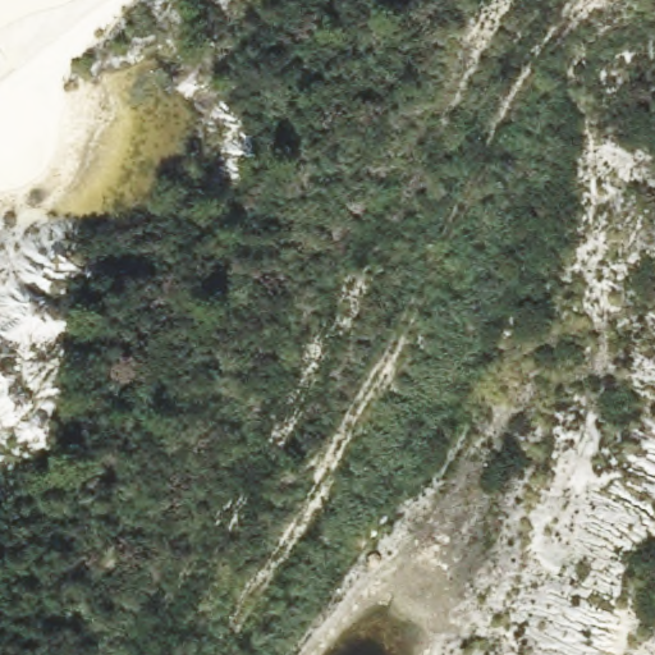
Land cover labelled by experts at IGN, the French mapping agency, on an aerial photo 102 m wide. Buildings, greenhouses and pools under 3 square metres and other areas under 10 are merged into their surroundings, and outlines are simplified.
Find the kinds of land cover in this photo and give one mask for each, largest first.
<instances>
[{"label":"brushwood","instance_id":"1","mask_svg":"<svg viewBox=\"0 0 655 655\"><path fill-rule=\"evenodd\" d=\"M491 0H179L177 10L182 15V33L177 41L179 49L174 59L179 61V74L184 79L207 77L212 90H217L225 97V102L228 110L235 118H241V125L246 130V146L238 156V179L228 177L223 151L217 156L205 154L200 136H189L179 154L161 159L156 179L151 184V223L130 228L128 233H100L95 243L79 251V256L72 264L90 266L92 276H67V294H51L46 302L49 315L54 320H64V333L56 335V340L64 345V361L59 363V376L54 384L56 404L51 412L46 448L36 450L33 458H18V463L13 466V486L18 496H33L38 512L43 514L77 517L79 525L61 527L59 535H51V545L54 553H59L69 565V571L59 573V578L67 586L82 583L87 588V604H77V614L72 617L49 614L43 619V632H74L82 645H97L102 655H302L299 647L304 632L317 624L322 614L330 612V606L340 601L335 588L343 583L345 573L358 563L361 535L368 530H379L384 535H391L394 525L402 519V501L417 499L432 484V478L458 432L473 440L478 430H484L486 422H491V409L473 394V386L484 381L486 366H491L494 361H504L499 348L501 330H512V335L519 340H530L535 335L548 333L555 322L553 297L560 292L565 281L563 269L576 261V248L583 243L578 238V217L583 212V197L588 187L578 179V156H583L586 151L583 133L581 110L568 97V90H583L594 97V110L599 113L596 130L599 136L601 130L614 128L612 143L622 146L624 151H647L652 156L650 171L655 174V20L637 10V15L629 23L617 26V31L601 36L586 18L571 33H555L540 54H532L537 38L563 13V5L573 0H514L509 10L501 15L489 46L478 56V69L468 79L466 90L461 105H455L453 110L409 115L404 128H391L389 115L399 107H412L417 102H438L443 92V82L448 77L445 54L440 51V43H432L425 33H435L438 28L466 31L468 20H476L481 15V8ZM619 51H632L629 77L624 79L617 95H606L604 90L614 87L617 79H599V69H609L612 59ZM525 67H530V79L525 82L519 97L512 102L507 118L496 128H489V118L499 110L501 97L509 92L512 82ZM366 264H379L381 271L361 294V310L351 328H340V322L335 320L340 276L361 271ZM399 335H407V348L402 351L394 368V379L399 381L397 391H384L381 397L371 399L366 404L363 420L348 427L351 445L335 468L328 499L315 512L307 532L292 548L289 560L276 568L274 578L266 586V599L256 604L253 614L243 624V632H235L230 627V617L235 614L238 588L253 571L264 568L266 560H276V553L269 550V540L279 537L281 527L292 519V514L302 512V507L315 494V468L310 458L325 453L330 435L338 430L343 414L348 412V402L356 399L368 368L384 353H391ZM310 343H320L322 356L317 366V381L302 384L299 374L304 368V351ZM123 358L136 361V371L128 384L110 379V368ZM287 417H294L297 427L287 438V445H276L271 430L276 425H284ZM624 192L637 197V210L655 207V187L645 182H627ZM599 340V330L594 328L563 335L553 345L535 348V366L555 368V363L568 358L581 366L586 358V343ZM573 389L578 394L591 391L599 399L596 414H601L609 425L619 427L622 440L627 445L640 443L632 435V422L642 420V397L635 391L632 381H617L609 374H596L573 381ZM532 432V427L527 414L522 412L509 417L501 432L499 450L489 438L484 448L489 453V463L481 471V491L507 494L512 478H519L527 468L530 455L519 448L517 440L527 435ZM624 576L637 581L640 586L635 599L637 629L647 637H652L655 629V537H645L642 542H637L632 550L624 553L622 560Z\"/></svg>","mask_w":655,"mask_h":655},{"label":"pervious surface","instance_id":"2","mask_svg":"<svg viewBox=\"0 0 655 655\"><path fill-rule=\"evenodd\" d=\"M133 0H0V484L13 486V466L18 463V458H33L36 450L46 448L51 412L56 404L54 384L59 376V363L64 361V345L56 340V335L64 333V320H54L49 315L46 302L51 294H67V276H92L90 266L72 264L79 256V251L74 220L79 215H118L128 207H146L151 212V184L156 179L161 159L179 154L189 136H200V120L207 123V133H212L220 120L212 118V107L225 102V97L217 90H212L207 77L184 79L179 74V61L174 59L161 54L141 56L138 51L128 49V54L92 61L84 77L72 69L74 56L84 54L95 43H105L113 38L115 26L123 20V8H128ZM514 0H491L481 8V15L476 20H468L466 31L463 43L471 46V56L458 79V87L466 90L468 79L478 69V56L489 46L501 15L509 10ZM609 0H573L563 5V13L537 38L532 54H540L555 33H571L596 8H606ZM530 79V67H525L512 82L509 92L501 97L499 110L489 118V128H496L507 118L512 102L519 97L525 82ZM586 151L583 156H578V179L588 187L583 197H588L596 205L609 202L617 212L622 210L624 192L627 182H645L655 187V174L650 171L652 156L647 151H624L622 146L612 143L614 128L601 130L599 136L596 130L583 133ZM606 251V233H591L583 243L576 248V261L563 269L565 281H571L576 271L583 274V310L591 315L594 328L599 330V340L586 343V358L594 361L596 374H609L617 381H632L635 391L642 397V420L632 422V435L640 443L627 445L622 440L619 427L609 425L601 414H596L599 399L591 391L578 394H573V402H578L581 412L586 414L581 430H563L553 425L532 427V432L527 435V440L532 443L542 440V435L555 438L553 481L537 478L527 468L519 478H512L507 494L481 491V471L489 463V453L484 448L478 453H463V463L453 478H432V484L417 499L402 501V519L394 525L391 535H384L379 530H368L361 535L358 563L345 573L343 583L335 588L340 601L330 606V612L322 614L317 624L304 632L299 647L302 655H325L333 647L335 637L351 622H356L361 612L379 604L391 606L397 617L409 619L422 629V655H655V629L652 637H647L637 629L635 599L640 586L637 581L624 576L622 560L624 553L632 550L637 542H642L645 537H655V361L645 358L640 348L632 351V368L614 366V361L609 358V315L617 317L619 328L637 330V315H627L622 307L632 302L635 289L624 287V276L627 269H632L640 261V256L629 253L617 264L604 266V279L599 281L596 264ZM381 271L379 264H366L361 271L340 276L335 320L340 322V328H351L361 310V294ZM407 348V335H399L391 353H384L368 368L356 399L348 402V412L343 414L338 430L330 435L325 453L310 458L315 468V494L302 507V512L292 514V519L281 527L279 537L269 540V550L276 553V560H266L264 568L253 571L238 588L235 614L230 617V627L235 632H243V624L253 614L256 604L266 599V586L274 578L276 568L289 560L292 548L307 532L315 512L328 499L335 468L351 445L348 427L363 420L366 404L371 399L381 397L384 391H397L399 381L394 379V368L402 351ZM322 356L320 343H310L304 351V368L299 374L302 384L317 381V366ZM136 371V361L123 358L110 368V379L128 384ZM509 391L501 394V404L491 409V422H486L484 430L489 438L499 450L501 432L509 417L522 412L525 402L535 394V386L519 381L507 384ZM297 427L294 417H287L284 425H276L271 430L276 445H287V438Z\"/></svg>","mask_w":655,"mask_h":655},{"label":"herbaceous vegetation","instance_id":"3","mask_svg":"<svg viewBox=\"0 0 655 655\"><path fill-rule=\"evenodd\" d=\"M179 0H133L128 8H123V20L115 26L113 38L105 43H95L84 54L74 56L72 69L84 77L92 61L128 54V49L138 51L141 56L161 54L174 59L179 49L177 41L182 33V15L177 10ZM637 10L655 20V0H609L606 8H596L586 18L601 36L617 31V26L629 23L637 15ZM466 31L438 28L435 33H425L432 43H440V51L445 54L448 77L443 82V92L438 102H417L412 107H399L389 115L391 128H404L409 115L453 110L455 105H461L466 90L458 87V79L471 56V46L463 43ZM632 51H619L612 59L609 69H599V79H617L614 87L604 90L606 95H617L624 79L629 77ZM568 97L581 110L583 133L596 130L599 113L594 110V97L583 90H568ZM212 118L220 120L212 133H207V123L200 120V136L205 154L217 156L223 151L228 177L238 179V156L246 146V130L241 125V118H235L228 110L225 102L212 107ZM583 212L578 217V238L583 243L591 233H606V251L596 264L599 281L604 279V266L617 264L629 253L640 256V261L632 269H627L624 276V287L635 289L632 302L622 307L627 315H637V330L619 328L617 317L609 315V358L614 361V366L632 368V351L640 348L645 358L655 361V207L637 210V197L624 192L622 210L617 212L609 202L596 205L588 197H583ZM151 212L146 207H128L118 215H79L74 220L79 251L95 243L100 233H128L130 228L151 223ZM583 274L576 271L571 281H565L560 292L553 297L555 322L548 333L535 335L530 340H519L512 335V330H501L499 348L504 361H494L491 366H486L484 381L473 386V394L491 409L501 404V394L509 391L507 384L519 381L535 386V394L525 402L522 412L527 414L532 427L553 425L563 430H581L586 414L581 412L578 402H573V394H578L573 389V381L596 374L594 361L586 358L581 366L568 358L555 363V368L535 366V348L553 345L563 335L594 328L591 315L583 310ZM489 438L484 430H478L473 440L458 432L432 478H453L463 463V453H478L484 448ZM519 448L530 455L527 468L537 478L553 481L555 438L542 435V440L532 443L527 440V435L517 440Z\"/></svg>","mask_w":655,"mask_h":655},{"label":"deciduous trees","instance_id":"4","mask_svg":"<svg viewBox=\"0 0 655 655\"><path fill-rule=\"evenodd\" d=\"M79 525L77 517L43 514L38 512L33 496H18L13 486L0 484V655H102L97 645H82L74 632H43V619L49 614L72 617L77 614V604H87V588L82 583L67 586L59 578V573L69 571V565L59 553H54L51 545V535H59L61 527Z\"/></svg>","mask_w":655,"mask_h":655},{"label":"water","instance_id":"5","mask_svg":"<svg viewBox=\"0 0 655 655\"><path fill-rule=\"evenodd\" d=\"M422 629L409 619L397 617L391 606L379 604L361 612L356 622H351L335 637L333 647L325 655H422Z\"/></svg>","mask_w":655,"mask_h":655}]
</instances>
